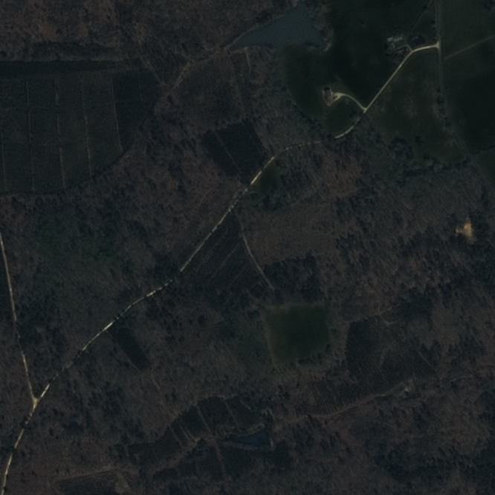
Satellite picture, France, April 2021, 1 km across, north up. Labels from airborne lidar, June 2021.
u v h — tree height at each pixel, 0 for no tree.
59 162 6
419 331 16
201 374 14
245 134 10
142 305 12
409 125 0
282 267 17
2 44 8
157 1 14
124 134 12
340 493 9
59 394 8
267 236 0
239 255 6
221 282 7
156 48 6
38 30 11
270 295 14
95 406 13
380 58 0
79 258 16
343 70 0
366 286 0
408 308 21
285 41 0
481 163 0
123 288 14
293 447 6
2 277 7
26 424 14
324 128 14
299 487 11
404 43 0
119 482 0
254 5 11
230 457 7
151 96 9
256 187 9
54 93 6
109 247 16
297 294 12
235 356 14
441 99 9
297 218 0
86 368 12
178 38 23
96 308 12
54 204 17
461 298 13
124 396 10
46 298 13
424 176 8
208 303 11
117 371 12
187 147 16
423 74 0
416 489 12
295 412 9
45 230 20
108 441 7
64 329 13
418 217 16
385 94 0
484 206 18
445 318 13
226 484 8
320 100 0
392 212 13
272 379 11
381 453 10
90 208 10
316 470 12
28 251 18
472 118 0
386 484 7
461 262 14
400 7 0
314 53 0
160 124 19
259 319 17
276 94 16
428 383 7
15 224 8
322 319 0
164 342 10
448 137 0
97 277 12
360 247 22
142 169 6
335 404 8
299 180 27
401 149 20
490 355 11
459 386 7
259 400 8
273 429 19
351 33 0
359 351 8
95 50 11
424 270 17
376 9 0
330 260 10
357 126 13
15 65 8
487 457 15
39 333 14
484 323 14
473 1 0
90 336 13
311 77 0
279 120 12
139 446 9
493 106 0
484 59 0
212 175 9
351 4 0
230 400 7
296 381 13
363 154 16
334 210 9
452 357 10
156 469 0
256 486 12
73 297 9
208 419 8
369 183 15
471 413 14
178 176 18
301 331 0
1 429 10
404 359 7
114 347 13
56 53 8
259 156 8
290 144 14
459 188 18
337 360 10
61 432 7
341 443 23
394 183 22
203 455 6
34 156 7
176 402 13
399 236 14
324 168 13
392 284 10
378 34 0
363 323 8
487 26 0
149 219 13
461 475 9
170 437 9
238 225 7
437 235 9
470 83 0
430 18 0
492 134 0
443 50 0
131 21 10
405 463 18
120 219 18
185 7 9
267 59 14
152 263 13
